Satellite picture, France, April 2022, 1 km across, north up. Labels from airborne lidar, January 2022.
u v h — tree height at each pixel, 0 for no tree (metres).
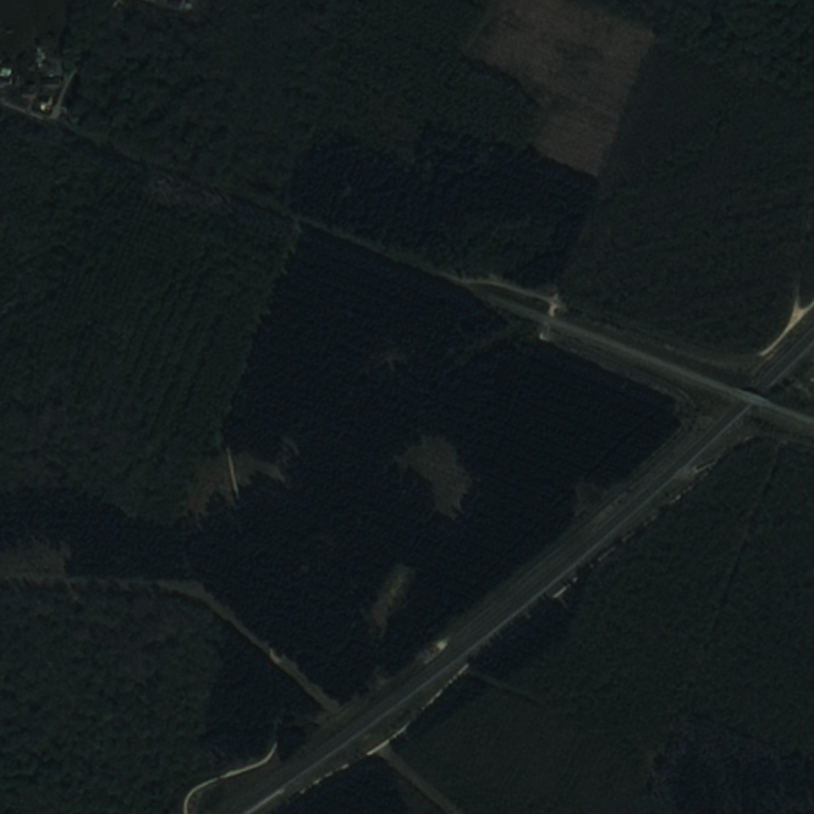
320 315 21
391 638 17
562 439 19
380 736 0
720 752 21
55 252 11
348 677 16
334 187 23
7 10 0
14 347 36
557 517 16
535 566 0
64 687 24
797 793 24
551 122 0
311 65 23
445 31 20
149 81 25
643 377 0
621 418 15
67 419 26
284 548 24
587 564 0
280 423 23
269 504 22
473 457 18
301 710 19
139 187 32
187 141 28
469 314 20
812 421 0
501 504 16
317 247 20
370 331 23
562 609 18
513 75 0
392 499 22
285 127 23
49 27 0
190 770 16
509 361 19
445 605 18
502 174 22
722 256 18
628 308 18
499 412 18
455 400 23
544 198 20
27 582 0
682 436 0
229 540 26
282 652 18
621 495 0
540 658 14
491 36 0
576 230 22
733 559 16
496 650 16
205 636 23
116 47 28
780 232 20
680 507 13
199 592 0
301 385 20
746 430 0
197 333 21
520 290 0
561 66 0
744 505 16
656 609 17
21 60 8
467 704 10
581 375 18
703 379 0
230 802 0
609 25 0
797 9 15
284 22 26
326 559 20
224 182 11
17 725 20
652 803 20
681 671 17
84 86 18
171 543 22
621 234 16
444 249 21
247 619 22
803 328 0
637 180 17
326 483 23
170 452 24
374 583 21
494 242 13
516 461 20
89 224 21
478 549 18
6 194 17
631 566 19
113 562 23
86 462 22
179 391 22
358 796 19
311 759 0
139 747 24
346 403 18
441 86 21
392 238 19
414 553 21
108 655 24
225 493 0
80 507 16
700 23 24
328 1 19
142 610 26
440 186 25
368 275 22
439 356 19
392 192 23
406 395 22
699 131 19
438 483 0
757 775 24
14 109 0
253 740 23
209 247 10
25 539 24
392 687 0
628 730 16
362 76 22
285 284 20
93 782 22
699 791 25
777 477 16
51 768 25
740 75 22
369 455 21
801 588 15
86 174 14
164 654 27
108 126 19
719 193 18
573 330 0
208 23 20
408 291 20
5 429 28
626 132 19
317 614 25
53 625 25
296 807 18
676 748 21
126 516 21
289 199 23
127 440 20
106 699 25
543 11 0
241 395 21
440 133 21
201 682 21
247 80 26
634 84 0
